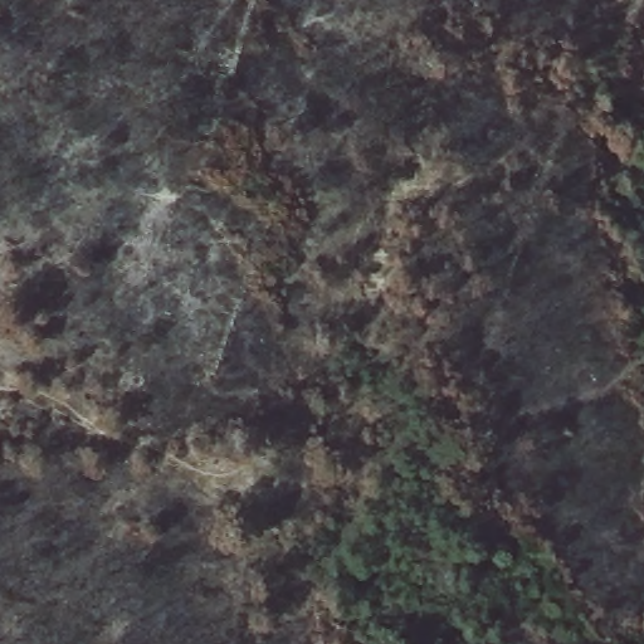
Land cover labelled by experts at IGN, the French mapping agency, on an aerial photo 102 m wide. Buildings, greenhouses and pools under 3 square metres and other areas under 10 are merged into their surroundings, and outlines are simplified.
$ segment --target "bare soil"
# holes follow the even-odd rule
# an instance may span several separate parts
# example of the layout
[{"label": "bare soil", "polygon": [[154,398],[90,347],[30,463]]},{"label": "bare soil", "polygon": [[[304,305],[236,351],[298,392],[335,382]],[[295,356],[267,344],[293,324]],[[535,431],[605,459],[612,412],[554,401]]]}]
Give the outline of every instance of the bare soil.
[{"label": "bare soil", "polygon": [[350,413],[340,403],[337,387],[335,382],[330,382],[327,365],[319,355],[327,352],[327,342],[337,342],[360,362],[370,360],[375,350],[367,347],[367,325],[377,317],[382,307],[403,317],[420,317],[423,309],[438,309],[448,317],[448,322],[440,327],[438,340],[448,340],[448,347],[460,362],[463,372],[470,377],[468,395],[475,395],[475,413],[470,415],[470,430],[480,433],[488,443],[488,458],[480,460],[480,470],[465,473],[465,486],[473,498],[468,516],[470,523],[480,513],[496,508],[503,521],[511,523],[511,528],[531,526],[538,538],[548,541],[553,556],[566,566],[571,576],[569,589],[579,591],[581,604],[594,601],[601,609],[621,609],[624,619],[644,619],[644,526],[629,508],[629,493],[639,488],[644,463],[644,355],[636,352],[631,362],[624,362],[624,355],[629,350],[624,342],[624,327],[629,325],[631,312],[624,307],[621,292],[606,292],[601,284],[606,279],[634,279],[641,272],[644,259],[644,257],[641,249],[634,247],[636,231],[619,231],[611,216],[604,211],[609,209],[609,204],[621,206],[634,191],[631,179],[619,174],[619,158],[626,156],[629,143],[644,143],[644,0],[0,0],[0,644],[350,644],[342,636],[345,626],[340,619],[342,611],[337,604],[337,594],[312,591],[309,581],[302,581],[302,571],[309,564],[309,553],[292,553],[292,546],[294,538],[314,536],[314,531],[319,528],[332,531],[332,523],[350,523],[352,511],[345,503],[357,501],[360,493],[367,498],[377,498],[377,483],[372,478],[362,478],[360,488],[335,486],[337,478],[330,465],[362,470],[362,465],[370,458],[380,453],[380,445],[362,443],[362,415]]}]

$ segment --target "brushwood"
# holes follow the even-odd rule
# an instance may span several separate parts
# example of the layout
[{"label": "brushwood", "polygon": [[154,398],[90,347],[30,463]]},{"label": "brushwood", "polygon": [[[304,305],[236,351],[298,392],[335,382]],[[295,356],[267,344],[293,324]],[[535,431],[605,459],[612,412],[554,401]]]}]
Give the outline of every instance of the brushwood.
[{"label": "brushwood", "polygon": [[644,355],[644,259],[641,272],[634,279],[606,279],[601,284],[606,292],[621,292],[624,307],[631,312],[629,325],[624,327],[624,342],[629,350],[624,355],[624,362],[631,362],[636,352]]},{"label": "brushwood", "polygon": [[644,463],[639,488],[629,493],[629,508],[644,526]]},{"label": "brushwood", "polygon": [[611,216],[619,231],[636,231],[634,247],[641,249],[644,257],[644,143],[629,143],[626,156],[619,158],[619,174],[631,179],[634,191],[621,206],[609,204],[609,209],[604,211]]},{"label": "brushwood", "polygon": [[538,538],[531,526],[511,528],[511,523],[503,521],[496,508],[480,513],[470,523],[468,516],[473,498],[465,486],[465,473],[480,470],[480,460],[488,458],[488,443],[480,433],[470,430],[470,415],[475,413],[475,395],[468,395],[470,377],[463,372],[460,362],[448,347],[448,340],[438,340],[440,327],[448,322],[448,317],[438,309],[423,309],[420,317],[403,317],[382,307],[377,317],[367,325],[367,347],[375,350],[370,360],[360,362],[337,342],[327,342],[327,352],[319,355],[327,365],[330,382],[335,382],[337,387],[340,403],[350,413],[362,415],[362,443],[380,445],[380,453],[370,458],[362,465],[362,470],[330,465],[337,478],[335,486],[360,488],[362,478],[372,478],[377,483],[377,498],[367,498],[360,493],[357,501],[345,503],[352,511],[350,523],[332,523],[332,531],[319,528],[314,531],[314,536],[294,538],[292,546],[292,553],[309,553],[309,564],[302,571],[302,581],[309,581],[312,591],[337,594],[337,604],[342,611],[340,619],[345,626],[342,636],[350,644],[644,644],[644,619],[624,619],[621,609],[601,609],[594,601],[581,604],[579,591],[569,589],[571,576],[566,566],[553,556],[548,541]]}]

